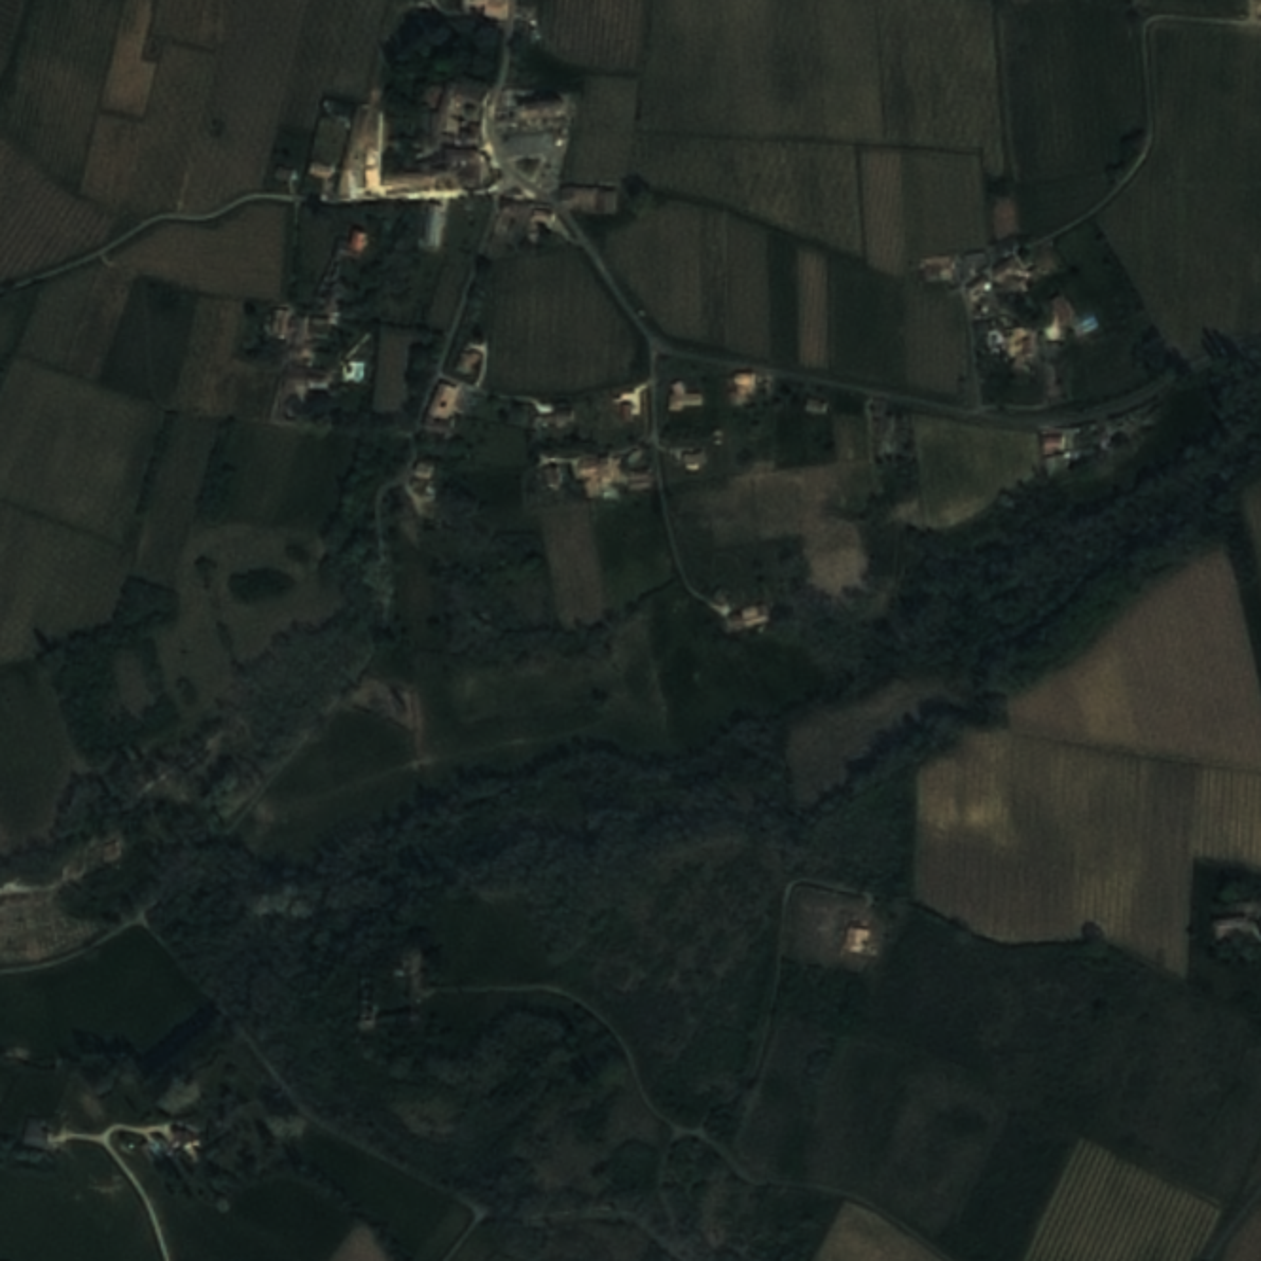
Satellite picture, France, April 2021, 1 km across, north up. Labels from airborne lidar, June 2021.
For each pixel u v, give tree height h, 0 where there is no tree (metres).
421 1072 7
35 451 0
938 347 0
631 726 0
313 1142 0
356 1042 8
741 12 0
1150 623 0
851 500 0
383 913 8
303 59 0
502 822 7
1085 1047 0
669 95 0
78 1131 0
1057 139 0
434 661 0
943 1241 0
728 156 0
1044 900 0
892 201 0
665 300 0
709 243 0
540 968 0
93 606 0
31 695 0
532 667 18
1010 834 0
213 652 0
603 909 10
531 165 10
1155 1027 0
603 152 0
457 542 15
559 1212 14
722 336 0
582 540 0
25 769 0
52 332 0
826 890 0
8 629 0
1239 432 19
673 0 0
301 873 15
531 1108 13
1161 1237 0
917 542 11
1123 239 0
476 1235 0
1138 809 0
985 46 0
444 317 0
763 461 7
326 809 0
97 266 0
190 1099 36
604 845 17
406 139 7
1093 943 18
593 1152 0
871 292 0
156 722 9
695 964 0
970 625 20
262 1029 16
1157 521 11
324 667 21
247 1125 7
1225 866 0
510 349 0
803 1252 8
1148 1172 0
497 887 18
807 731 0
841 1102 0
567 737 0
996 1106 0
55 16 0
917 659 16
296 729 19
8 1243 0
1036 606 19
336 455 0
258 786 20
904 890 8
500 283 0
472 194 11
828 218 0
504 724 0
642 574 0
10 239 0
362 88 0
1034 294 8
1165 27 0
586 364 0
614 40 0
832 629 23
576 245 0
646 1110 0
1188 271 0
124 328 0
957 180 0
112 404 0
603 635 15
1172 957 0
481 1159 6
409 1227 0
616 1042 7
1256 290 0
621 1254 0
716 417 0
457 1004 0
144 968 0
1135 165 8
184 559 0
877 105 0
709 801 11
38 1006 0
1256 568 16
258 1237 0
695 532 0
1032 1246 0
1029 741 0
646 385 0
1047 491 6
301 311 6
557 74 0
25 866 15
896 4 0
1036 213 0
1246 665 0
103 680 6
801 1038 0
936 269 0
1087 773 0
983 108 0
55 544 0
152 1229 0
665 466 0
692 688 0
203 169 0
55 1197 0
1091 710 0
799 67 0
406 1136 14
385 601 25
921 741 14
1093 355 0
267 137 0
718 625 7
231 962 20
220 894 10
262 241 0
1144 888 0
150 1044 0
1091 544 20
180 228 0
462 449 13
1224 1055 0
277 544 0
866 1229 0
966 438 0
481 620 13
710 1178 6
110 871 11
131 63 0
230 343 0
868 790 11
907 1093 0
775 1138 0
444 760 0
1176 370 30
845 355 0
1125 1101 0
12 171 0
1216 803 0
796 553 8
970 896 0
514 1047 14
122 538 0
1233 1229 0
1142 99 0
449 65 19
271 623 0
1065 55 0
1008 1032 0
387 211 11
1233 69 0
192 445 0
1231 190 0
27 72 0
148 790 22
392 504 7
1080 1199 0
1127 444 18
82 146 0
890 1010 0
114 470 0
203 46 0
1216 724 0
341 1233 0
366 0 0
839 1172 0
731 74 0
